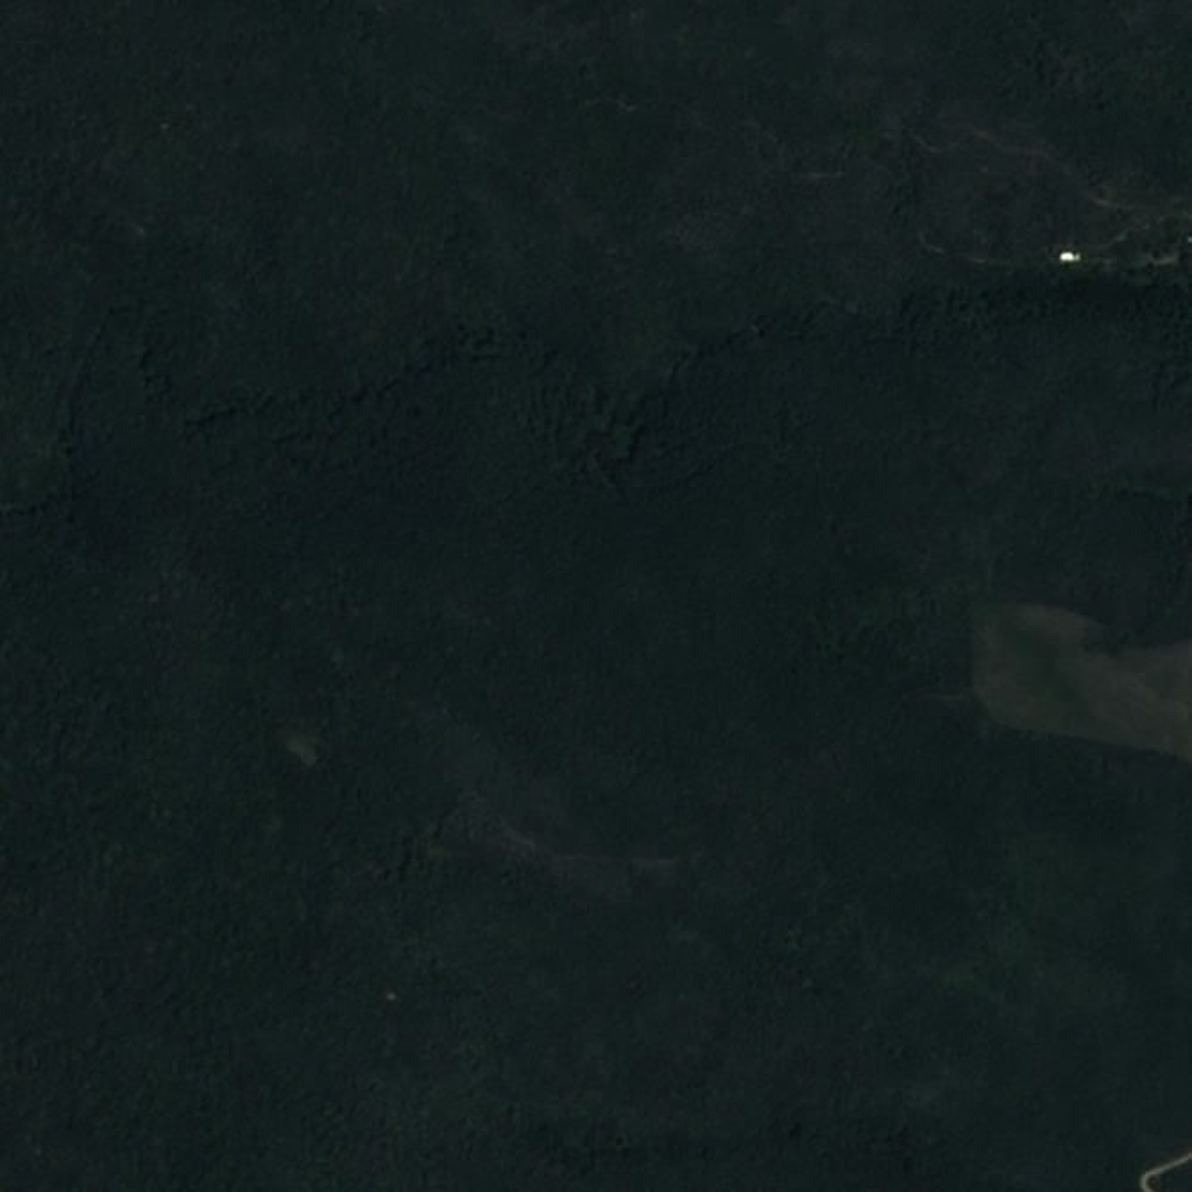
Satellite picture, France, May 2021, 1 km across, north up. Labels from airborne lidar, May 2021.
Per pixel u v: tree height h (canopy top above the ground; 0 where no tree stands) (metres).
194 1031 6
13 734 9
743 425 6
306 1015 9
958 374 7
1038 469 7
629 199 7
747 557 7
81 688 10
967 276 11
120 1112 9
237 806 10
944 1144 8
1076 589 5
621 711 6
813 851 6
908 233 6
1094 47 6
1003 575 7
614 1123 7
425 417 14
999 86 8
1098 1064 6
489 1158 7
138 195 6
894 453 7
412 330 8
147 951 9
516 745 7
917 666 7
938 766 8
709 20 6
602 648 7
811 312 8
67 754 9
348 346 9
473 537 11
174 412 23
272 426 16
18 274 8
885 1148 16
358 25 7
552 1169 11
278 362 8
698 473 6
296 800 8
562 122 6
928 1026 7
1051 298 17
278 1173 6
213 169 6
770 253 7
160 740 9
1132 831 7
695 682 9
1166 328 12
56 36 6
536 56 10
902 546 6
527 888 8
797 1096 9
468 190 7
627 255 6
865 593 9
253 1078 11
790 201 6
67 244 14
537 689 8
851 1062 6
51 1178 7
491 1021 8
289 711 7
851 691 8
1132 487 7
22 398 9
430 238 8
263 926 11
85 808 10
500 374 10
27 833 9
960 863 8
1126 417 7
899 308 10
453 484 10
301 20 8
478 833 6
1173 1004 7
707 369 10
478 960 6
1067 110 7
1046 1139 8
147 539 7
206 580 10
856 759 7
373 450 12
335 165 7
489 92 6
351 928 8
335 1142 12
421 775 7
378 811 8
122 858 9
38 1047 12
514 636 6
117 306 15
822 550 7
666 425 17
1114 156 7
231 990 9
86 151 6
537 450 10
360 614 9
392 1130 9
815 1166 14
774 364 8
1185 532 14
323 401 13
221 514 17
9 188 7
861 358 11
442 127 7
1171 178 7
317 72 9
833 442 6
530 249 8
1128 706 0
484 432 8
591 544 10
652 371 9
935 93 6
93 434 6
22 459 10
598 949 6
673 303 8
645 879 6
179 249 11
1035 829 6
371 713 8
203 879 9
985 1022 7
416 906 8
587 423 16
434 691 8
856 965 7
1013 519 7
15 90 7
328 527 12
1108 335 7
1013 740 6
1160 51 6
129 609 6
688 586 9
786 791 6
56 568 8
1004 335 12
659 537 9
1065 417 6
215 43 6
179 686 6
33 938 6
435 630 6
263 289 8
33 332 15
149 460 11
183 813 10
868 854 8
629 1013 6
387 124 8
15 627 14
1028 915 5
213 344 10
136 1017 9
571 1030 6
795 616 8
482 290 10
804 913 6
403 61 7
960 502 6
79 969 10
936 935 6
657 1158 13
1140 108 6
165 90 10
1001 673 0
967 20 8
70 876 9
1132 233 6
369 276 6
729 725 10
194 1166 10
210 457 20
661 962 6
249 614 9
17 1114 11
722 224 6
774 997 8
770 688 9
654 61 6
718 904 7
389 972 7
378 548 8
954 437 7
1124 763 7
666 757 9
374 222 7
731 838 9
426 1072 5
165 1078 7
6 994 10
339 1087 10
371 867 10
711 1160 13
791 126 8
